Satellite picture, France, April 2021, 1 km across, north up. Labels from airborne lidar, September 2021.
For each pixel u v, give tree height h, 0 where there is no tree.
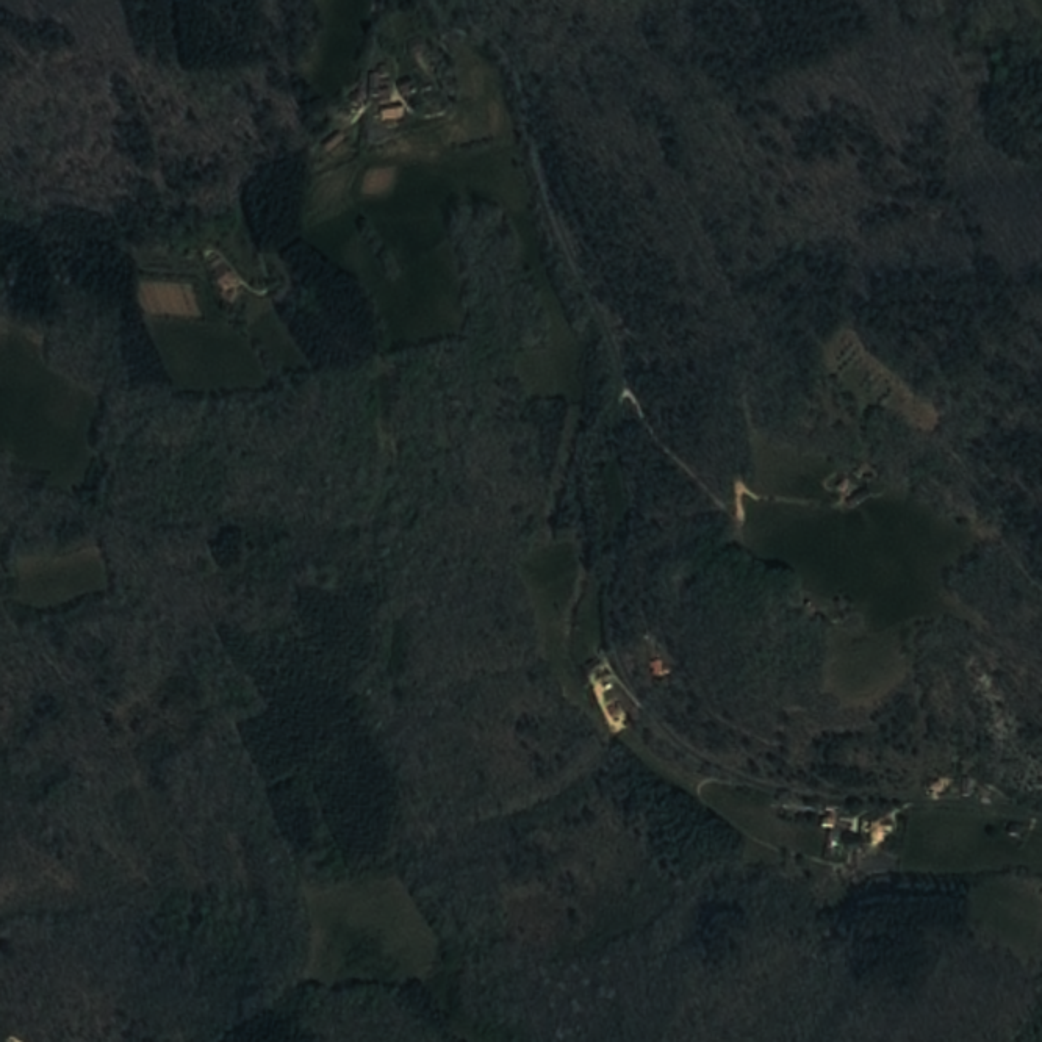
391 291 0
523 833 6
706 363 11
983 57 9
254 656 13
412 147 0
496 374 14
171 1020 8
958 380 23
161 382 18
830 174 14
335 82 0
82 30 14
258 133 16
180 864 7
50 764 9
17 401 0
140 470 12
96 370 14
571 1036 19
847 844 11
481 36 15
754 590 18
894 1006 13
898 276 19
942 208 24
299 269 21
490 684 11
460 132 0
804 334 20
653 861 10
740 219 15
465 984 13
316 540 12
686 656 15
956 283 18
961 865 0
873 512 0
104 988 14
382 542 23
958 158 16
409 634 7
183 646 14
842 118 18
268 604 9
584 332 16
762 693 18
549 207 11
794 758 6
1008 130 28
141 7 21
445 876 21
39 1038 8
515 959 21
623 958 21
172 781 18
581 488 20
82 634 21
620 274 20
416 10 14
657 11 16
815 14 26
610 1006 17
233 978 13
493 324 16
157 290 0
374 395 18
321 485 15
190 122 10
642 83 25
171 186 11
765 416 19
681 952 15
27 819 6
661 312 21
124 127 11
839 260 27
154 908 11
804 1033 17
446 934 18
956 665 14
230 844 13
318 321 19
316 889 15
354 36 0
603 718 0
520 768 6
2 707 9
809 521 0
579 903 15
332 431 17
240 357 0
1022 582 19
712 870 15
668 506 20
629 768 16
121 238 21
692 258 14
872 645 0
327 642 14
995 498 26
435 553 24
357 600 15
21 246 27
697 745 18
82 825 16
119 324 8
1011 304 20
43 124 18
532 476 14
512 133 0
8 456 10
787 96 16
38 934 14
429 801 15
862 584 0
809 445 19
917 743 8
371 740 16
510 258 26
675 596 15
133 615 14
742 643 18
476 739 8
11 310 15
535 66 23
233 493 12
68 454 0
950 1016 16
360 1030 14
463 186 0
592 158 17
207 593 12
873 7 17
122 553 18
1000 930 0
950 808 0
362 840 15
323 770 16
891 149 16
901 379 20
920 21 20
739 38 23
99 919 18
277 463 14
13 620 7
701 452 21
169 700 5
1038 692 7
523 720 7
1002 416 12
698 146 15
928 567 0
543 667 11
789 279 28
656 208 21
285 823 18
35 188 15
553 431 19
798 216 18
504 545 14
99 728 20
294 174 22
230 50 22
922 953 20
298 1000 9
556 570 0
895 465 21
